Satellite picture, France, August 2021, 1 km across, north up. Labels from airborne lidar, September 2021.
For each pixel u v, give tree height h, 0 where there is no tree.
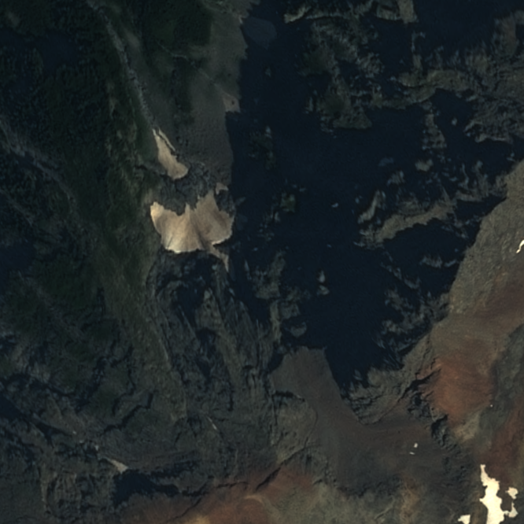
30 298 0
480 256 0
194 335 0
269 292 0
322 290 0
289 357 0
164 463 0
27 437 0
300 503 0
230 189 0
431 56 0
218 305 0
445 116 0
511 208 0
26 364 0
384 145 0
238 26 0
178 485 0
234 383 0
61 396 0
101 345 0
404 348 0
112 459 0
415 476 0
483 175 0
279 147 0
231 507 0
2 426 0
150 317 0
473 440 0
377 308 0
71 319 0
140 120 0
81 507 0
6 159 8
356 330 0
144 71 0
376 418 0
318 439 0
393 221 0
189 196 0
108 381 0
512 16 0
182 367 0
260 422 0
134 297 0
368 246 0
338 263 0
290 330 0
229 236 0
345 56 0
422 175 0
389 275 0
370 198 0
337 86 0
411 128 0
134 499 0
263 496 0
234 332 0
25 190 10
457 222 0
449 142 0
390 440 0
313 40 0
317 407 0
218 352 0
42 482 0
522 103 0
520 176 0
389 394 0
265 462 0
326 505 0
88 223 0
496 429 0
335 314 0
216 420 0
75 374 0
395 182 0
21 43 9
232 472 0
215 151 0
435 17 0
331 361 0
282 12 8
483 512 0
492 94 0
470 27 0
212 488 0
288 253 0
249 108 0
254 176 0
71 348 0
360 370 0
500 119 0
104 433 0
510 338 0
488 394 0
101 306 0
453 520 0
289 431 0
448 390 0
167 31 0
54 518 0
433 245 0
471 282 0
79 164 0
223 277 0
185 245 0
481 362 0
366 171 0
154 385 0
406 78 0
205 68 0
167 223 0
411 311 0
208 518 0
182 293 0
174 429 0
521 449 0
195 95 0
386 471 0
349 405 0
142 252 0
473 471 0
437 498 0
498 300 0
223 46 0
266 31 0
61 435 0
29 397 0
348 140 0
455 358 0
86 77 8
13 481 0
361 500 0
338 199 0
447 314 0
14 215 8
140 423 0
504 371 0
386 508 0
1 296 0
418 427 0
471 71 0
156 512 0
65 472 0
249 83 0
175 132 0
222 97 0
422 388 0
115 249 0
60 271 0
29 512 0
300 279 0
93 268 0
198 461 0
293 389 0
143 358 0
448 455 0
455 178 0
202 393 0
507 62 0
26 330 0
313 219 0
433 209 0
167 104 0
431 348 0
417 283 0
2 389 0
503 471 0
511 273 0
